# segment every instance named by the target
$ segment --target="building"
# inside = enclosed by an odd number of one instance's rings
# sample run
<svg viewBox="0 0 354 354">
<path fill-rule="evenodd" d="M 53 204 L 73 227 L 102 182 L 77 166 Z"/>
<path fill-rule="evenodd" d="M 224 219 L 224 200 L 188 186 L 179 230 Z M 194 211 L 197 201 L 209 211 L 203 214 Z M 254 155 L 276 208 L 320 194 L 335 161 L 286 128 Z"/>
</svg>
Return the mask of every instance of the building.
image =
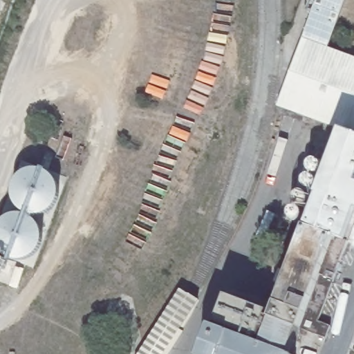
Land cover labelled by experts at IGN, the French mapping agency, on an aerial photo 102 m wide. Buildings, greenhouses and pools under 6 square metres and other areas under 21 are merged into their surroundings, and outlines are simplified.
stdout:
<svg viewBox="0 0 354 354">
<path fill-rule="evenodd" d="M 22 271 L 35 264 L 46 239 L 58 199 L 61 198 L 66 177 L 59 176 L 59 181 L 54 183 L 53 176 L 39 165 L 21 167 L 11 174 L 10 181 L 15 187 L 14 195 L 10 198 L 8 195 L 0 195 L 0 281 L 7 283 L 11 288 L 18 288 Z"/>
<path fill-rule="evenodd" d="M 321 166 L 311 187 L 301 223 L 296 225 L 290 239 L 288 252 L 275 279 L 270 299 L 265 306 L 259 306 L 253 301 L 243 300 L 230 293 L 218 293 L 213 308 L 214 313 L 220 314 L 216 322 L 218 326 L 201 337 L 201 354 L 296 354 L 296 336 L 300 333 L 304 332 L 304 336 L 307 337 L 308 333 L 317 333 L 324 337 L 324 342 L 333 336 L 332 322 L 326 324 L 321 321 L 321 315 L 324 315 L 321 313 L 322 306 L 328 295 L 329 285 L 336 283 L 336 279 L 340 277 L 339 271 L 344 254 L 351 248 L 348 239 L 354 236 L 354 46 L 342 48 L 330 39 L 336 25 L 343 0 L 321 0 L 319 3 L 314 1 L 311 7 L 306 28 L 277 100 L 277 105 L 281 108 L 307 116 L 319 123 L 329 124 L 333 130 L 322 155 Z"/>
</svg>

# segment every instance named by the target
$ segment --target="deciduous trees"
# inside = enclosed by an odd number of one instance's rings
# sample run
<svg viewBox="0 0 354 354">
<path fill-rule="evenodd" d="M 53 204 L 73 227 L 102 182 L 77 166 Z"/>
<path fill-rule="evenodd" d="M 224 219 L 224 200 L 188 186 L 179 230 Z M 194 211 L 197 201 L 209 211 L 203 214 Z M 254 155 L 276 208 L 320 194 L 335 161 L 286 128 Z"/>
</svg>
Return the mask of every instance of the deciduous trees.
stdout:
<svg viewBox="0 0 354 354">
<path fill-rule="evenodd" d="M 131 325 L 120 315 L 108 313 L 95 314 L 94 317 L 88 318 L 87 325 L 82 324 L 80 335 L 86 342 L 84 354 L 131 354 Z"/>
<path fill-rule="evenodd" d="M 354 30 L 336 25 L 330 39 L 342 48 L 354 46 Z"/>
<path fill-rule="evenodd" d="M 145 91 L 141 95 L 136 93 L 137 105 L 140 108 L 158 108 L 158 98 Z"/>
<path fill-rule="evenodd" d="M 26 112 L 25 134 L 30 140 L 30 145 L 48 145 L 51 137 L 58 137 L 61 126 L 55 123 L 54 116 L 48 115 L 44 118 Z"/>
<path fill-rule="evenodd" d="M 264 263 L 267 257 L 277 263 L 282 250 L 283 243 L 279 242 L 279 234 L 252 238 L 250 253 L 246 256 L 257 263 L 260 270 L 267 267 Z"/>
</svg>

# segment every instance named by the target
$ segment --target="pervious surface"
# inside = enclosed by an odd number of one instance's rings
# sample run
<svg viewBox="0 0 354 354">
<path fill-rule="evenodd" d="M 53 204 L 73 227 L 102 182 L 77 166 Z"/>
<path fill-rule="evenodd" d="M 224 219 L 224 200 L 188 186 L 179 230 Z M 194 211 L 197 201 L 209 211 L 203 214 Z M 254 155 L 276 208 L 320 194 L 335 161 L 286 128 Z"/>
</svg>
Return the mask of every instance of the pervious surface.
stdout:
<svg viewBox="0 0 354 354">
<path fill-rule="evenodd" d="M 46 239 L 35 264 L 22 271 L 18 288 L 11 288 L 7 283 L 0 281 L 0 328 L 6 329 L 22 318 L 30 303 L 36 299 L 40 290 L 57 270 L 57 265 L 62 264 L 62 256 L 73 236 L 90 235 L 98 214 L 104 213 L 108 205 L 112 185 L 118 174 L 118 166 L 111 159 L 118 155 L 116 134 L 119 131 L 120 119 L 130 104 L 120 97 L 120 94 L 127 73 L 127 59 L 130 58 L 131 50 L 137 41 L 136 4 L 138 1 L 153 3 L 162 0 L 35 0 L 28 21 L 19 35 L 18 46 L 12 55 L 8 71 L 0 79 L 0 195 L 8 195 L 10 198 L 14 195 L 15 187 L 10 181 L 11 174 L 21 167 L 39 165 L 53 176 L 54 183 L 59 181 L 59 176 L 66 177 L 61 198 L 58 199 Z M 71 28 L 73 18 L 86 15 L 86 8 L 94 3 L 101 4 L 105 14 L 104 25 L 98 30 L 97 36 L 100 46 L 95 47 L 93 53 L 82 48 L 66 51 L 64 39 L 66 32 Z M 26 112 L 44 118 L 48 115 L 54 116 L 55 123 L 61 126 L 58 137 L 51 137 L 48 145 L 30 145 L 30 140 L 25 134 Z"/>
</svg>

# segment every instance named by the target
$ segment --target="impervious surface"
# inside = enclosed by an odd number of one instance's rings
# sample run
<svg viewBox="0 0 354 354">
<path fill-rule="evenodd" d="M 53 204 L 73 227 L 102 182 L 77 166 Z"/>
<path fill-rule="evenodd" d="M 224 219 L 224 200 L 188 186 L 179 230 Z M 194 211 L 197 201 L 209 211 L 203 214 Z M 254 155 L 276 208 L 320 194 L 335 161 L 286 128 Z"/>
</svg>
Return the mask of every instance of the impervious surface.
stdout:
<svg viewBox="0 0 354 354">
<path fill-rule="evenodd" d="M 354 236 L 348 239 L 351 248 L 344 254 L 339 271 L 340 277 L 336 279 L 336 283 L 329 285 L 328 295 L 322 306 L 321 313 L 324 315 L 321 315 L 321 321 L 326 324 L 332 322 L 333 336 L 324 342 L 324 337 L 317 333 L 308 333 L 307 337 L 304 336 L 304 332 L 300 333 L 296 336 L 296 354 L 354 354 Z"/>
<path fill-rule="evenodd" d="M 295 188 L 290 198 L 292 203 L 283 206 L 281 201 L 272 201 L 270 205 L 264 206 L 257 217 L 252 238 L 279 234 L 279 242 L 283 243 L 282 250 L 277 263 L 267 257 L 264 263 L 267 267 L 260 270 L 257 263 L 246 256 L 234 250 L 228 252 L 224 267 L 213 272 L 203 303 L 195 297 L 198 295 L 198 286 L 187 279 L 180 279 L 177 282 L 180 289 L 142 344 L 142 354 L 201 354 L 201 337 L 218 326 L 216 322 L 220 314 L 214 313 L 213 308 L 218 293 L 230 293 L 243 300 L 253 301 L 259 306 L 265 306 L 270 299 L 275 279 L 288 252 L 290 239 L 296 225 L 301 223 L 311 187 L 321 166 L 322 155 L 333 130 L 329 124 L 319 123 L 311 129 L 306 149 L 297 156 L 296 166 L 292 171 L 292 188 Z"/>
</svg>

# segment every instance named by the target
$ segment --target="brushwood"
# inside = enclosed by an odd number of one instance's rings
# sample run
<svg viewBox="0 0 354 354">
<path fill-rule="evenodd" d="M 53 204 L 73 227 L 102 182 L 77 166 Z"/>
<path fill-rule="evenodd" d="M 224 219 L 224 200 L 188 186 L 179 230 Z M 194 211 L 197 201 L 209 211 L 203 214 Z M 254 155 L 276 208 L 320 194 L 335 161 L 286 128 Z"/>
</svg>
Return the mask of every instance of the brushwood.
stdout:
<svg viewBox="0 0 354 354">
<path fill-rule="evenodd" d="M 12 55 L 18 46 L 19 35 L 28 21 L 35 0 L 0 0 L 0 79 L 8 71 Z"/>
</svg>

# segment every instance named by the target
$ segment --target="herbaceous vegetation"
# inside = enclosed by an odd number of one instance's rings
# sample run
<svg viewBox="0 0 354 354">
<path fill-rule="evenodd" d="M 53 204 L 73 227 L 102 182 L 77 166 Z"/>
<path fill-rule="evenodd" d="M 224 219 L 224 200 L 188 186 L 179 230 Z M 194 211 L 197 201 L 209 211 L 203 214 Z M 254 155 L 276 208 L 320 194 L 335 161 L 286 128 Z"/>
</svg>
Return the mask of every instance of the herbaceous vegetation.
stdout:
<svg viewBox="0 0 354 354">
<path fill-rule="evenodd" d="M 105 14 L 101 4 L 94 3 L 86 8 L 86 15 L 73 18 L 71 28 L 66 32 L 64 39 L 66 51 L 82 48 L 93 53 L 95 47 L 100 46 L 97 36 L 98 30 L 104 25 Z"/>
<path fill-rule="evenodd" d="M 213 272 L 224 267 L 228 252 L 234 250 L 246 256 L 250 253 L 252 238 L 257 217 L 264 206 L 270 205 L 272 201 L 281 201 L 283 206 L 292 203 L 290 198 L 295 188 L 292 188 L 292 171 L 296 166 L 297 156 L 306 149 L 311 129 L 319 123 L 307 116 L 281 108 L 277 105 L 277 100 L 306 28 L 311 7 L 314 1 L 319 3 L 321 0 L 162 0 L 153 3 L 138 1 L 136 4 L 137 41 L 131 50 L 130 58 L 127 59 L 127 73 L 120 94 L 120 97 L 130 104 L 120 119 L 119 131 L 116 134 L 118 155 L 111 159 L 118 166 L 118 174 L 112 185 L 108 205 L 104 213 L 98 214 L 90 235 L 73 236 L 62 256 L 62 264 L 57 265 L 57 270 L 40 290 L 36 299 L 30 303 L 22 318 L 6 329 L 0 328 L 0 354 L 84 354 L 86 342 L 80 335 L 82 324 L 87 325 L 88 318 L 94 317 L 95 314 L 108 313 L 120 315 L 131 325 L 131 354 L 142 354 L 142 344 L 180 289 L 177 282 L 180 279 L 187 279 L 198 286 L 198 295 L 195 297 L 203 303 Z M 136 93 L 141 95 L 145 91 L 158 98 L 158 108 L 140 108 L 137 105 Z"/>
<path fill-rule="evenodd" d="M 343 0 L 336 25 L 354 30 L 354 0 Z"/>
</svg>

